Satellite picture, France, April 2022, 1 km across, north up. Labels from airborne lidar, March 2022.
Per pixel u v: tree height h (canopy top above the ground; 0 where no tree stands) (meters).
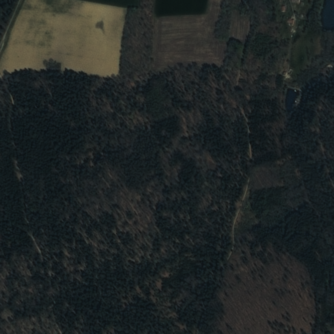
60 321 24
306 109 15
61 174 27
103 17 0
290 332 10
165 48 0
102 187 23
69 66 0
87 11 0
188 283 24
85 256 26
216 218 26
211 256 29
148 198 23
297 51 0
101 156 9
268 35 9
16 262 25
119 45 0
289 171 8
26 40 0
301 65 0
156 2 0
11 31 0
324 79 23
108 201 22
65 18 0
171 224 25
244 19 0
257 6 28
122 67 16
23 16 0
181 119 21
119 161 31
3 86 26
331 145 23
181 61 0
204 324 18
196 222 24
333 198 10
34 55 0
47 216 29
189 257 6
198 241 29
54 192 18
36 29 0
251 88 26
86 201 22
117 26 0
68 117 28
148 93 23
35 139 23
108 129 31
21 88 29
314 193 19
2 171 25
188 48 0
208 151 10
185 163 23
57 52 0
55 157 29
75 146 27
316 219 26
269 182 23
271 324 16
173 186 24
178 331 19
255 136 16
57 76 24
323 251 15
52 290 22
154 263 19
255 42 13
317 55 0
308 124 29
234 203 24
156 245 24
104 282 22
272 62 21
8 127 23
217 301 26
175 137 24
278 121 13
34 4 0
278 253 18
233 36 0
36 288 24
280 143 12
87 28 0
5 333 21
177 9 0
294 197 16
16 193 22
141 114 26
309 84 9
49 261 19
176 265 29
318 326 26
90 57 0
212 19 0
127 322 32
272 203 15
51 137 25
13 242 23
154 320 29
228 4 17
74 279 25
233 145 28
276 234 29
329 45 21
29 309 22
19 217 26
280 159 12
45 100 24
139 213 30
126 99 24
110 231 22
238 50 23
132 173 28
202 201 23
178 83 28
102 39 0
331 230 12
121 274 25
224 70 20
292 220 27
